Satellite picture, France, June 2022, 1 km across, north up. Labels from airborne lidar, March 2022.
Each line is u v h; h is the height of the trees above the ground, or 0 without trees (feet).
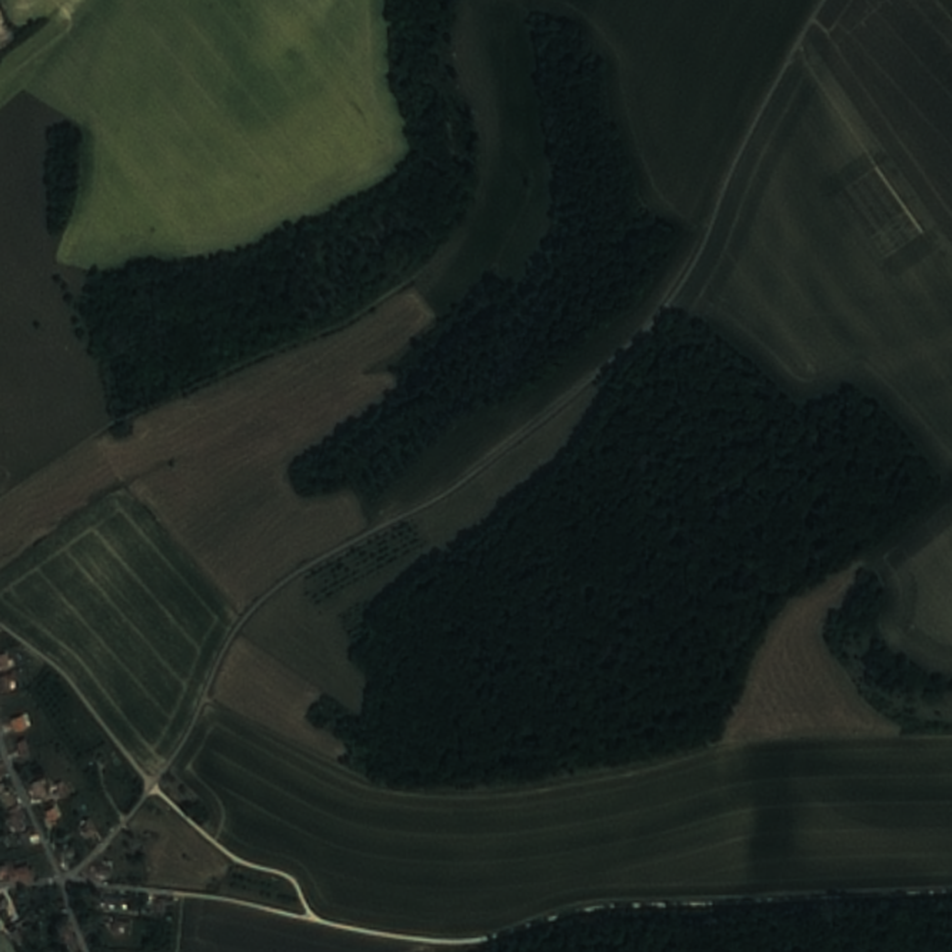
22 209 0
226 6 0
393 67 27
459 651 54
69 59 0
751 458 63
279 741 0
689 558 65
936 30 0
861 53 0
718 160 0
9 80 0
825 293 0
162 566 0
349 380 0
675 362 58
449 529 0
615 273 65
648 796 0
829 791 0
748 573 88
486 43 0
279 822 0
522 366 63
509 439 0
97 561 0
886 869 0
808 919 88
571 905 0
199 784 0
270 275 62
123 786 0
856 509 61
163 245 0
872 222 0
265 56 0
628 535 58
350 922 0
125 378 54
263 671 0
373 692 40
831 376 0
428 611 57
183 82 0
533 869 0
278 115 0
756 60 0
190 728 0
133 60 0
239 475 0
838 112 0
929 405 0
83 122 0
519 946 67
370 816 0
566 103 77
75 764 0
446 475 0
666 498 37
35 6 0
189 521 0
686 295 0
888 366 0
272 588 0
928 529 0
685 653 76
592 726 57
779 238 0
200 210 0
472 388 51
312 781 0
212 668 0
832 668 0
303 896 0
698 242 0
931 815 0
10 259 0
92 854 0
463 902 0
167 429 0
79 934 0
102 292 52
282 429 0
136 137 0
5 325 0
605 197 76
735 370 58
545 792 0
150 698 0
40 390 0
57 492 0
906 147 0
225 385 0
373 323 0
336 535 0
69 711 0
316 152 0
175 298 53
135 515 0
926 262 0
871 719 0
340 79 0
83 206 0
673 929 89
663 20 0
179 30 0
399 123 0
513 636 53
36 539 0
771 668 0
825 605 0
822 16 0
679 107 0
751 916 66
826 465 65
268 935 0
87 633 0
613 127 43
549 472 51
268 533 0
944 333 0
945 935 55
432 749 54
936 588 0
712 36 0
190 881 0
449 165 69
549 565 56
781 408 56
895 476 34
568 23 47
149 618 0
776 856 0
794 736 0
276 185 0
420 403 66
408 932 0
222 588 0
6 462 0
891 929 69
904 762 0
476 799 0
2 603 0
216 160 0
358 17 0
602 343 0
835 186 0
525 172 0
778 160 0
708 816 0
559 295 56
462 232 0
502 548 58
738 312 0
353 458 56
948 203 0
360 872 0
